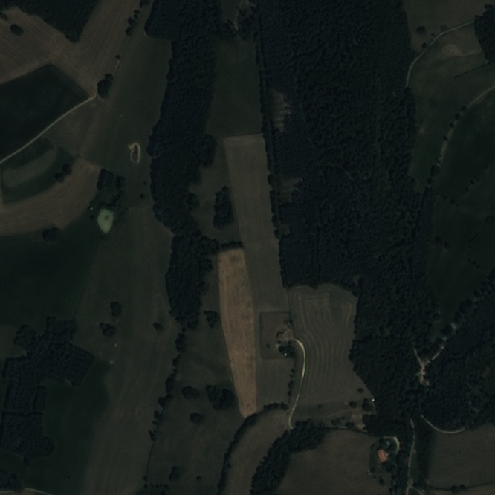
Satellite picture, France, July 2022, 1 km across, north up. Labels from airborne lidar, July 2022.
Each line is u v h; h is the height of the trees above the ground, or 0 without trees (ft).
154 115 0
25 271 0
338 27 82
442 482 0
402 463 82
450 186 0
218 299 0
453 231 0
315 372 0
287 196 0
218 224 67
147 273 0
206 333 0
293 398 0
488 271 0
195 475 0
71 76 0
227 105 0
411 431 86
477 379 69
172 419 0
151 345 0
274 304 0
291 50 38
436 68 0
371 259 63
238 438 35
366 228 66
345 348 0
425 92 0
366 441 0
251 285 0
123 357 0
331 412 0
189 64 103
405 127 73
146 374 0
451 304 0
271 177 41
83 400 0
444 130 0
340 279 62
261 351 0
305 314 0
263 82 45
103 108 0
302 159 72
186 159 80
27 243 0
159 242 0
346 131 46
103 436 0
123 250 0
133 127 0
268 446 0
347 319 0
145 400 0
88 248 0
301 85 62
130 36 42
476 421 51
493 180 0
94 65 0
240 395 0
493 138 0
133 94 0
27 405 75
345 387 0
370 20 49
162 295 0
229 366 0
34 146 0
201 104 57
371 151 48
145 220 0
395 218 82
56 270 0
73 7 50
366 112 58
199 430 0
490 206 0
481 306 64
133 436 0
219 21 79
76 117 0
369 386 52
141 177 0
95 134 0
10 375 60
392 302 90
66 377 61
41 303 0
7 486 67
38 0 51
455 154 0
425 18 0
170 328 0
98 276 0
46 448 47
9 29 0
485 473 0
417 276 20
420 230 75
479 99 0
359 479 0
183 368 0
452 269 0
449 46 0
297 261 83
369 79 54
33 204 0
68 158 0
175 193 73
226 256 0
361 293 56
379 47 45
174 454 0
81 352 63
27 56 0
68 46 0
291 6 61
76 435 0
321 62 52
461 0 0
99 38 0
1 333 0
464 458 0
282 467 65
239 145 0
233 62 0
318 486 0
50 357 71
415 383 67
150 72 0
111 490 0
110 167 0
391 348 104
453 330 78
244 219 0
